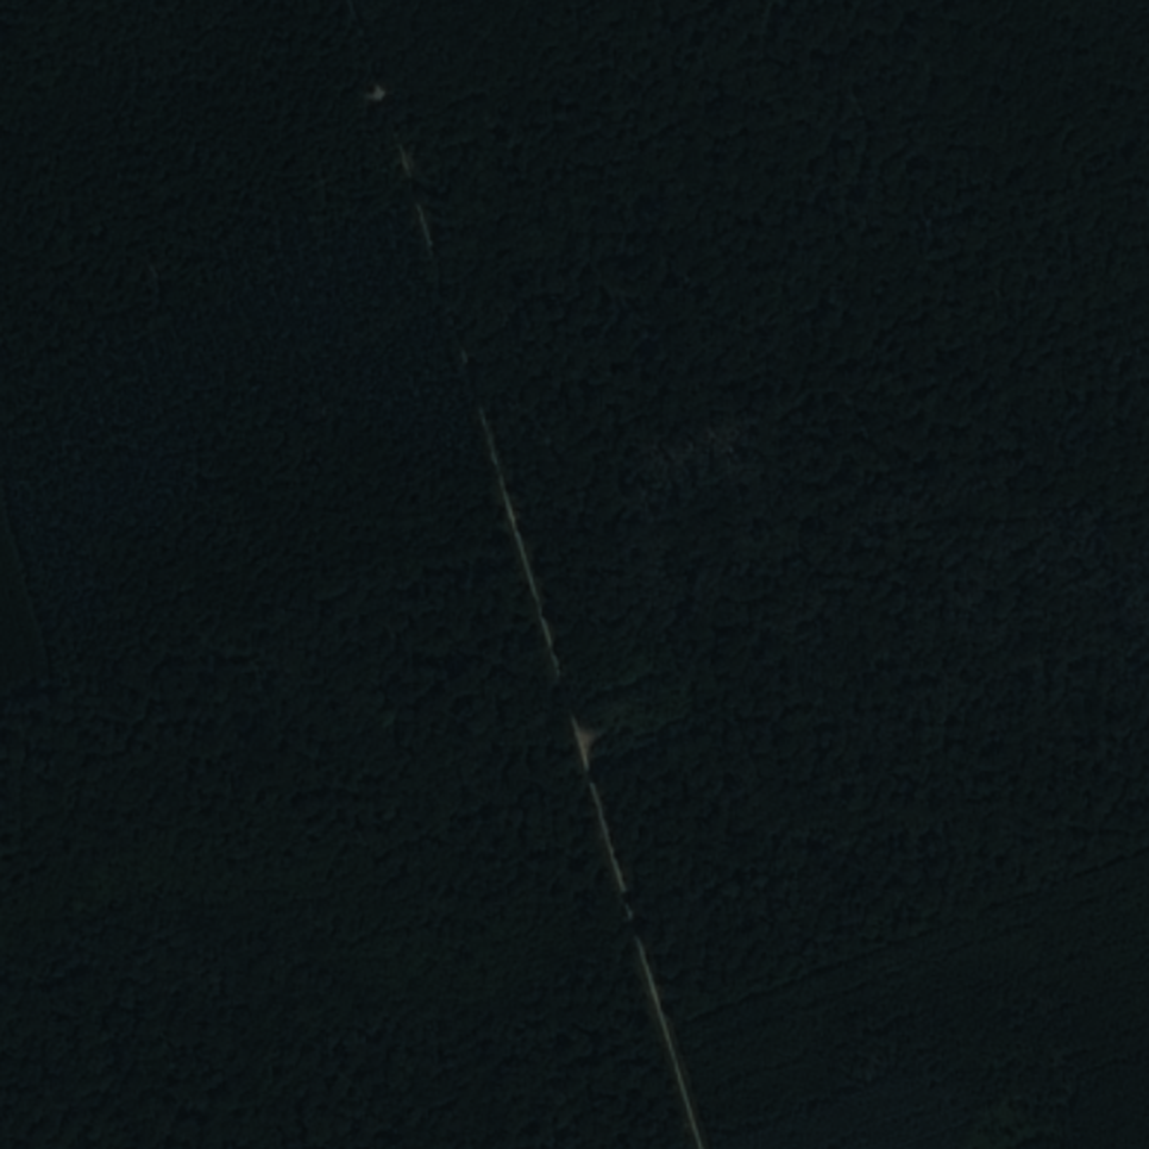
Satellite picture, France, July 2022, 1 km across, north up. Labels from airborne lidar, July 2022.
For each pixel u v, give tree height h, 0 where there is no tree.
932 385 26
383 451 19
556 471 26
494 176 22
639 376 23
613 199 25
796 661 21
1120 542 22
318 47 21
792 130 25
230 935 21
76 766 27
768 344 21
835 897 19
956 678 22
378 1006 24
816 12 25
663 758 26
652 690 13
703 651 25
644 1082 26
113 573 20
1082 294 23
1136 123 23
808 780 22
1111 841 22
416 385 16
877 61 23
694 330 25
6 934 22
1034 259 27
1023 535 25
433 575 22
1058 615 21
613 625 24
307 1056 26
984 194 23
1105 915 14
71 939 19
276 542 23
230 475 20
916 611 22
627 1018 23
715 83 25
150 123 21
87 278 19
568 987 23
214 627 24
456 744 26
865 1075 8
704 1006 12
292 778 23
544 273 27
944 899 24
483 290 23
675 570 17
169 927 24
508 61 24
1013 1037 8
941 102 23
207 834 20
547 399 21
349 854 22
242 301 22
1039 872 19
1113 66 20
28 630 9
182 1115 26
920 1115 13
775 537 26
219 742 25
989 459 31
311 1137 19
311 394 23
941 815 18
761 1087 11
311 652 22
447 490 21
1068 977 13
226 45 20
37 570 17
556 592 21
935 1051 11
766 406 26
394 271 19
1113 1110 15
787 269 25
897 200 26
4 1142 27
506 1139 25
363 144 23
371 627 24
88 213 24
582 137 25
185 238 22
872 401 24
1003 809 20
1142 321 24
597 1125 24
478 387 21
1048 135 26
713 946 23
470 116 25
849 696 22
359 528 21
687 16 26
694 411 22
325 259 15
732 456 27
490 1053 24
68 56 21
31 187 20
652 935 20
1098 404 25
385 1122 15
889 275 23
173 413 17
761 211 22
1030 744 20
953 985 11
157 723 21
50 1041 25
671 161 24
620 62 23
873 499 23
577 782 21
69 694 23
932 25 28
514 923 21
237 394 23
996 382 23
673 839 23
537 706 26
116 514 18
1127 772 17
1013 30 24
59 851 24
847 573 25
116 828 20
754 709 12
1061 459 24
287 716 23
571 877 23
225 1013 25
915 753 17
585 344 29
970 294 26
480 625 26
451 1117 22
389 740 24
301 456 20
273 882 18
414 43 25
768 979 15
